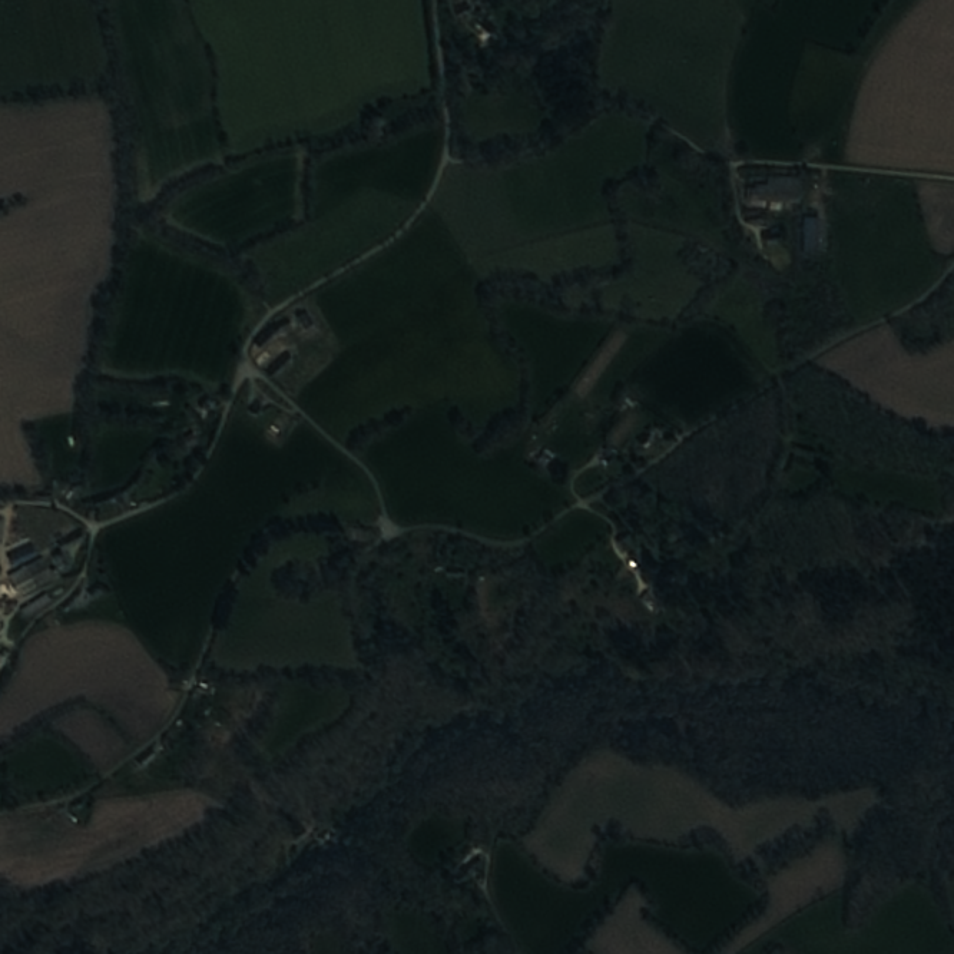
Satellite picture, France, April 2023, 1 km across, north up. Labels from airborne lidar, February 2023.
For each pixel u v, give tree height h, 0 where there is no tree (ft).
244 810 50
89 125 0
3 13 0
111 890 36
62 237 0
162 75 0
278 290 0
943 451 53
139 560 0
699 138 0
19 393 0
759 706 77
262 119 0
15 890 57
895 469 35
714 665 53
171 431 42
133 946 83
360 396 0
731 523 37
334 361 0
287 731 0
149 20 0
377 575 21
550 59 28
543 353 0
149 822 0
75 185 0
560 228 0
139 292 0
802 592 51
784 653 85
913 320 29
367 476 0
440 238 0
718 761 81
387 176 0
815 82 0
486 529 0
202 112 0
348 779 81
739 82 0
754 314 0
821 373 36
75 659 0
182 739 20
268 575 0
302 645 0
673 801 0
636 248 0
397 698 67
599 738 69
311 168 38
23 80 0
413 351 0
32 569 0
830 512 58
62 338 0
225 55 0
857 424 65
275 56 0
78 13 0
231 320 0
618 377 0
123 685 0
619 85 0
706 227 0
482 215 0
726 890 0
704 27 0
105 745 0
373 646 34
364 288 0
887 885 73
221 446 0
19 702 0
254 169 0
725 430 22
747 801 70
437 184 0
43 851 0
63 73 0
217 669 29
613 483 25
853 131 0
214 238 0
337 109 0
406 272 0
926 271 0
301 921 71
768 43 0
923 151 0
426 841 0
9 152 0
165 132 0
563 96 81
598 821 0
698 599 84
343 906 58
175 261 0
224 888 66
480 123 0
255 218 0
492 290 58
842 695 66
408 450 0
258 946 61
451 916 44
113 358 0
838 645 64
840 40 0
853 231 0
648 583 31
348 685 52
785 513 49
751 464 40
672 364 0
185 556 0
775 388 42
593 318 39
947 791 86
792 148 0
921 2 0
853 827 0
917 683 75
